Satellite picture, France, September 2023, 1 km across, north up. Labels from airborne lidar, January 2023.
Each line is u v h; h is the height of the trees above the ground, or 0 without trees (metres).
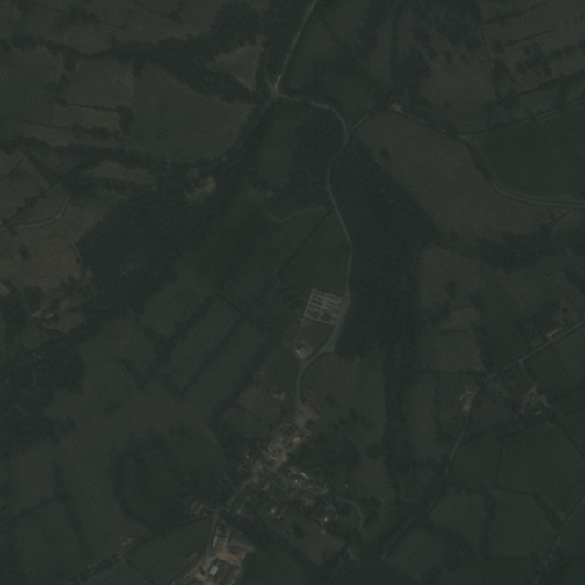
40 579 0
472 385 0
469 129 0
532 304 0
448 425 0
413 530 6
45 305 0
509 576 0
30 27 0
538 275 0
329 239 0
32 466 0
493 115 7
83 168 12
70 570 0
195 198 0
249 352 0
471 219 0
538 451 0
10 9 0
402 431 0
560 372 0
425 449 0
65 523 0
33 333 0
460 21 10
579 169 0
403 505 9
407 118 0
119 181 0
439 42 0
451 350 0
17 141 5
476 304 18
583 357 0
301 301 0
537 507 0
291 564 0
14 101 0
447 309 14
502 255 24
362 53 15
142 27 0
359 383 0
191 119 0
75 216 0
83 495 0
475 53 0
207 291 0
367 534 0
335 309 0
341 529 16
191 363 0
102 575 0
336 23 0
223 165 18
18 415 14
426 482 0
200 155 0
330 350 0
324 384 0
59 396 0
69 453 0
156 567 0
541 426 0
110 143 0
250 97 16
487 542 16
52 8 0
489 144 0
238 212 0
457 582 0
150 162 18
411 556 0
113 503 0
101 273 14
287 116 0
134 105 0
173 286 0
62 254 0
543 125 0
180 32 0
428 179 0
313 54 0
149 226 6
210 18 0
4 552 16
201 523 0
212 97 0
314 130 24
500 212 0
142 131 0
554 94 0
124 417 0
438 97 0
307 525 0
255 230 0
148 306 0
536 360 0
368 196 12
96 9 0
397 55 13
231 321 0
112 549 0
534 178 0
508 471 0
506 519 0
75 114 0
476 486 0
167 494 0
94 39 0
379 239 7
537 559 20
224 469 0
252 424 0
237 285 0
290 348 0
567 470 0
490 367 20
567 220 0
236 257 0
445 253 0
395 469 16
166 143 0
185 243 32
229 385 0
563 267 0
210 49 15
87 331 17
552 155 0
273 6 12
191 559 0
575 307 0
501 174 0
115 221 15
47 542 0
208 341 0
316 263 0
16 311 13
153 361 0
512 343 0
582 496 0
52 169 0
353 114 0
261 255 0
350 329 14
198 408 0
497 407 0
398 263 12
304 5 10
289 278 0
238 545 0
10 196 0
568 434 7
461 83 0
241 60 0
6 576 17
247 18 15
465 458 0
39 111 0
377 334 17
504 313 0
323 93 20
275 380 0
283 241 0
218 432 13
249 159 18
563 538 0
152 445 15
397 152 0
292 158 0
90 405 0
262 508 0
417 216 17
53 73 0
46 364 8
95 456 0
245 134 16
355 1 0
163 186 13
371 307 12
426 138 0
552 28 0
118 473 16
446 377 0
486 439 0
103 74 0
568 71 0
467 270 0
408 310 25
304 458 8
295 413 0
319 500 8
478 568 0
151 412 0
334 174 6
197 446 0
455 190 0
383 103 17
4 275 0
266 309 0
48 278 0
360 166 23
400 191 16
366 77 0
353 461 19
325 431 0
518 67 12
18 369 0
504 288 0
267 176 0
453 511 0
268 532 6
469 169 0
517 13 11
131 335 0
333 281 0
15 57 0
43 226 0
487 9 0
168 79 0
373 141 0
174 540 0
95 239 13
